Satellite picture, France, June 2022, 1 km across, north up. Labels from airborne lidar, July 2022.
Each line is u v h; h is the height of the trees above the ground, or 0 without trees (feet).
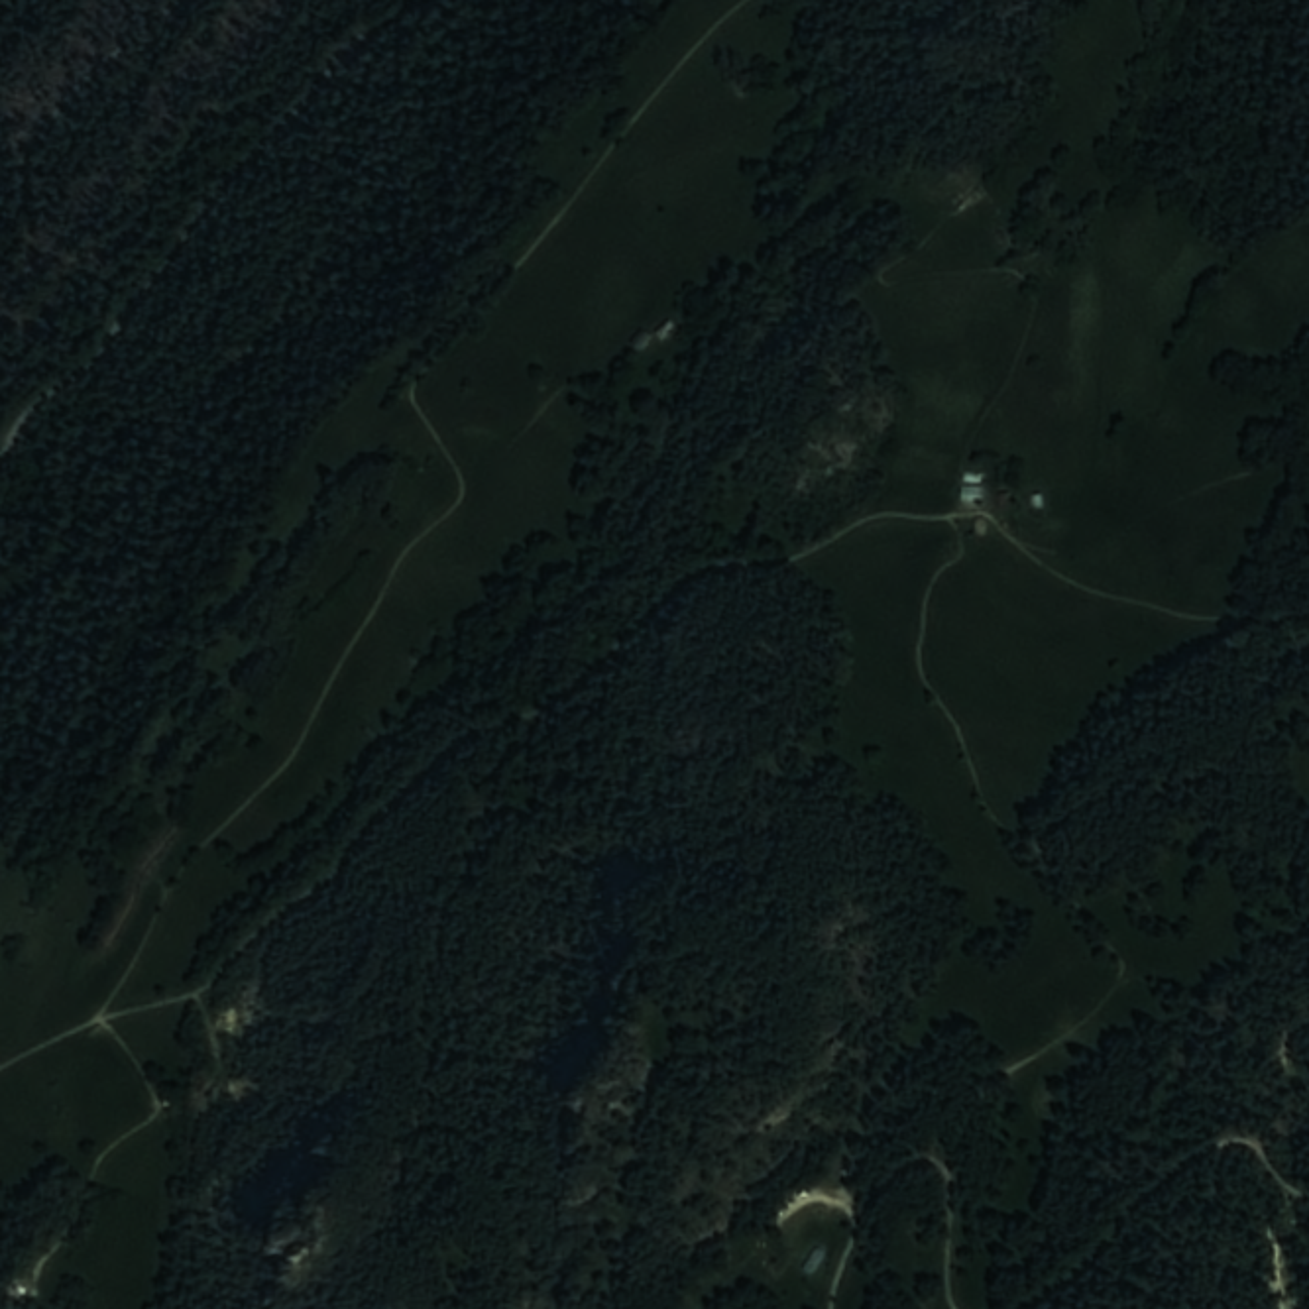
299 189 48
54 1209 52
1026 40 58
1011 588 0
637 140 0
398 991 49
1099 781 65
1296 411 66
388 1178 49
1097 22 0
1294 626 53
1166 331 0
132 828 36
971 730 0
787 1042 43
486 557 0
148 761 24
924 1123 70
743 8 0
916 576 0
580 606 62
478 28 69
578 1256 35
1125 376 0
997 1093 61
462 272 80
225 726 73
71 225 84
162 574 58
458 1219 69
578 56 80
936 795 0
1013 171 0
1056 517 0
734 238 0
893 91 66
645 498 82
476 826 73
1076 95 0
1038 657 0
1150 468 0
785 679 80
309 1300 42
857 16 86
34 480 25
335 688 0
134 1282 0
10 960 22
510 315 0
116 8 31
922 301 0
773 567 58
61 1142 0
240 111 19
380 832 41
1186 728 74
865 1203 37
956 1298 0
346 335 71
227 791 0
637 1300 78
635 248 0
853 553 0
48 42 57
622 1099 20
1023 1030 0
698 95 0
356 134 64
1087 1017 0
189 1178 30
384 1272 67
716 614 55
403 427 0
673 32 0
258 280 58
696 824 65
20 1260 38
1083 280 0
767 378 83
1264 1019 93
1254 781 74
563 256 0
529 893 83
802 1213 0
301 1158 55
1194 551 0
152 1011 0
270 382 78
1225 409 0
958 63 30
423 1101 79
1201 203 42
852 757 0
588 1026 55
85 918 0
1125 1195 50
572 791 90
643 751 77
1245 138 87
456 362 0
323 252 87
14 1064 0
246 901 50
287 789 0
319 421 42
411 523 0
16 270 108
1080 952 0
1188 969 0
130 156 65
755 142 0
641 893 39
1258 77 79
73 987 0
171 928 0
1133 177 55
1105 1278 74
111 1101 0
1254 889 78
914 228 54
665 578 79
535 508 0
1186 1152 63
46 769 69
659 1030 0
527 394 0
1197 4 85
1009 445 0
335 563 0
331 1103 26
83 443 26
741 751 53
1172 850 60
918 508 0
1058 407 0
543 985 75
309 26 20
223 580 57
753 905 98
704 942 74
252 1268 44
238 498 65
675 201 0
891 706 0
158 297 37
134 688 28
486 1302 54
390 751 67
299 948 36
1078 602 0
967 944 28
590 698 63
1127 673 0
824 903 59
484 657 43
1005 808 0
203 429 101
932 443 0
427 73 59
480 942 73
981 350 0
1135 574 0
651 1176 52
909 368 0
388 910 62
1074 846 61
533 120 74
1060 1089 84
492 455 0
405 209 121
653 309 0
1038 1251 51
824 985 61
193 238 39
